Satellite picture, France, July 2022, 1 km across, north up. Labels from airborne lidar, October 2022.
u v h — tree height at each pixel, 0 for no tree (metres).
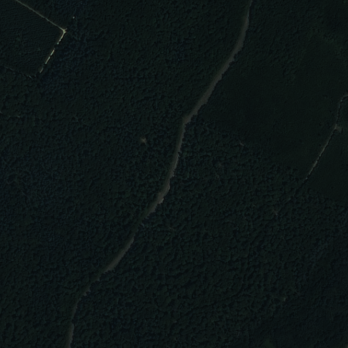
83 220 26
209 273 30
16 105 29
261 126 15
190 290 34
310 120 7
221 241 26
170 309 30
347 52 7
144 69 8
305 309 16
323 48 6
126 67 24
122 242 31
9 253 32
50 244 32
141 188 27
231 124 9
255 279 31
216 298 18
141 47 21
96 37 22
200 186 29
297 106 8
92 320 32
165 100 28
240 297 25
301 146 7
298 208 27
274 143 12
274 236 28
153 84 26
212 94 6
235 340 20
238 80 13
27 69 15
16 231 29
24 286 27
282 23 15
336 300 25
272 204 27
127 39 25
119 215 26
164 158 6
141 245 10
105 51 27
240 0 24
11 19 15
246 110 13
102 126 31
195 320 26
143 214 7
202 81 18
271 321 24
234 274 32
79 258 25
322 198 25
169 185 0
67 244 30
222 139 25
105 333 25
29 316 29
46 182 32
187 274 34
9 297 31
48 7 10
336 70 7
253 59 16
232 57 0
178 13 28
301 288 19
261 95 11
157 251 26
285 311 27
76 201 32
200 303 23
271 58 20
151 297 25
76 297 19
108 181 34
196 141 29
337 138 10
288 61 22
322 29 14
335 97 6
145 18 28
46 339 27
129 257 11
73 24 24
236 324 25
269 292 28
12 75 33
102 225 33
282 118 13
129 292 30
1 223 34
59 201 32
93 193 30
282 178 28
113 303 34
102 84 29
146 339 30
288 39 21
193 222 30
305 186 18
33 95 28
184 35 28
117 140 27
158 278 7
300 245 27
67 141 38
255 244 18
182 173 28
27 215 34
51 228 25
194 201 28
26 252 28
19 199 32
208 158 26
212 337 28
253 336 26
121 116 32
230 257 28
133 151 31
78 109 30
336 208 27
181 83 24
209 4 27
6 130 29
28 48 14
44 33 13
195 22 27
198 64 18
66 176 30
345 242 26
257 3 18
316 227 26
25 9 12
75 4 29
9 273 28
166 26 26
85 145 39
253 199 24
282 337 24
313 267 40
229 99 18
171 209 6
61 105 30
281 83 13
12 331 32
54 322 28
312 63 8
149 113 30
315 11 19
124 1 27
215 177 32
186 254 28
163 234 27
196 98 19
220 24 27
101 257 25
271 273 34
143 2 25
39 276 30
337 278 19
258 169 30
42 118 28
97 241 26
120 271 24
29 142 32
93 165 33
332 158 7
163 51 26
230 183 29
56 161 37
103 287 23
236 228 31
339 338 19
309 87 7
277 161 7
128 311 31
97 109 27
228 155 29
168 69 22
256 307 27
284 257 30
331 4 10
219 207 21
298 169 6
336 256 20
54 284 30
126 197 28
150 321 30
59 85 36
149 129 27
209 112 13
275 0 20
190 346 32
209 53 22
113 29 27
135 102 32
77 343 19
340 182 12
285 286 33
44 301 25
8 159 26
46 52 12
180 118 9
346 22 11
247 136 12
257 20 16
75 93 30
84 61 35
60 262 26
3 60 17
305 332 25
